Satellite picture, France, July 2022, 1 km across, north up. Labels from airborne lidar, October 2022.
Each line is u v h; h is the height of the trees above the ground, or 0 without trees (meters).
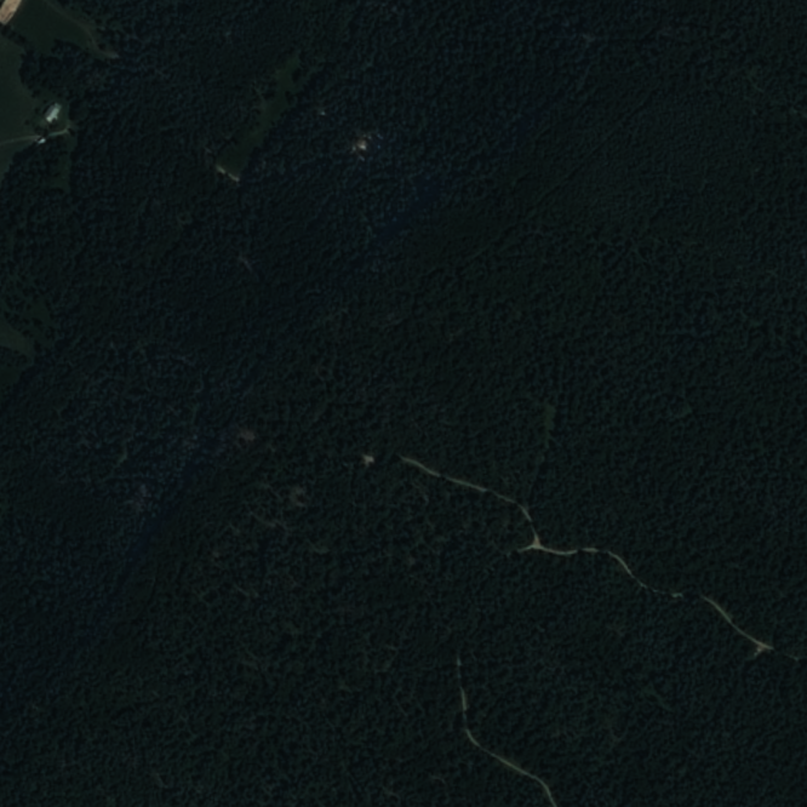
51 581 23
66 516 28
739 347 14
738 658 23
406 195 26
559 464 8
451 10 25
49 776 18
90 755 19
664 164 13
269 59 22
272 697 19
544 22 27
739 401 12
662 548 21
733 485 30
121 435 29
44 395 28
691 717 8
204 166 27
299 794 24
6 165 0
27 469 24
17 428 21
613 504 17
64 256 29
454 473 8
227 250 26
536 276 20
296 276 24
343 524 14
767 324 31
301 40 25
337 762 18
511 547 19
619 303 12
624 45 16
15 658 23
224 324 22
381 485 7
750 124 21
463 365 14
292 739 24
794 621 10
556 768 15
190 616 23
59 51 8
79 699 13
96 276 21
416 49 29
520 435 12
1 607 26
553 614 16
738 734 25
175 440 28
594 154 15
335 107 32
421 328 19
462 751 16
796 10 12
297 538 10
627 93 14
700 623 29
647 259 27
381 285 17
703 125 15
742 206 13
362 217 23
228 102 28
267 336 28
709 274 20
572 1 18
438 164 28
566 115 12
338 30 21
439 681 17
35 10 0
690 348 21
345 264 22
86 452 27
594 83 15
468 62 26
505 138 22
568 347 16
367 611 20
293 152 28
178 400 28
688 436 13
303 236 24
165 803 23
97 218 12
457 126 23
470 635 13
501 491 12
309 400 9
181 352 24
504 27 17
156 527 15
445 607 17
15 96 0
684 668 15
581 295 15
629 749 11
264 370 12
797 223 21
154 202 24
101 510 27
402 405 7
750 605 14
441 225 12
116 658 14
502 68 24
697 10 14
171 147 26
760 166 11
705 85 17
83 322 20
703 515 15
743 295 21
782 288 17
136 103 23
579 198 16
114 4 26
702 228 9
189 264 27
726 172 12
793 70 14
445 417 20
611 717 12
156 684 22
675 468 19
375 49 24
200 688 20
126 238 24
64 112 0
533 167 15
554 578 14
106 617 18
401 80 21
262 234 26
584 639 12
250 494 27
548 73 27
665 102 13
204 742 23
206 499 15
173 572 19
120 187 24
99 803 18
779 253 15
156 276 23
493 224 13
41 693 17
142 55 30
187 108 26
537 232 26
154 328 25
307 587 23
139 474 23
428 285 19
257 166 23
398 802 23
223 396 29
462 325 19
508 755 21
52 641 25
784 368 19
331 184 30
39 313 0
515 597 19
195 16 23
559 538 15
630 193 12
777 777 21
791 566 13
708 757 17
